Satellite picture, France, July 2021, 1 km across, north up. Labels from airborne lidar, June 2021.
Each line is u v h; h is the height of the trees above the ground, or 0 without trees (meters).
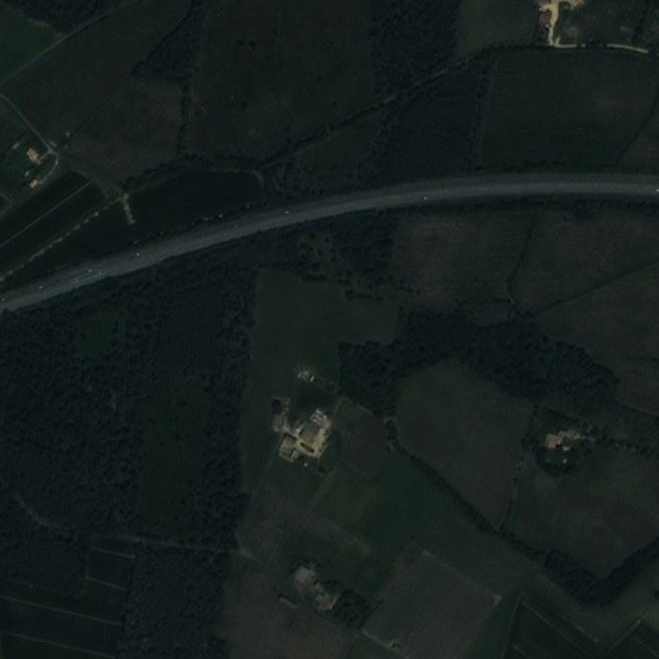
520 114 0
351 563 0
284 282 0
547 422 0
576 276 0
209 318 11
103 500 11
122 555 0
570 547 0
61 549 14
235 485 18
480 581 0
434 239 0
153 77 12
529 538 0
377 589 0
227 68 0
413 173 10
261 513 0
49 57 0
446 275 0
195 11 16
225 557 12
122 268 0
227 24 0
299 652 0
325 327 0
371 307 0
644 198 0
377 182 11
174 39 11
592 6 0
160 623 22
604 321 0
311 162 0
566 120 0
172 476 0
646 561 16
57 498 13
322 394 0
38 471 19
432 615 0
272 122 0
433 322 9
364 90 0
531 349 18
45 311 13
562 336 0
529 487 0
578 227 0
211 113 0
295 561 0
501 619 0
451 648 0
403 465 0
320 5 0
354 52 0
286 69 0
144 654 19
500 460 0
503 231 0
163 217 0
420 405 0
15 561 13
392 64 13
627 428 0
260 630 0
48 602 0
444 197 0
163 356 10
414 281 0
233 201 0
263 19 0
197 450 0
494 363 9
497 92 0
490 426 0
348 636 0
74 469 15
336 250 9
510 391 13
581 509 0
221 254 10
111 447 14
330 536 0
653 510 0
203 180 0
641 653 0
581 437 0
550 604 0
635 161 0
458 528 0
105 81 0
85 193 0
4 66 0
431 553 0
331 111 0
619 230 0
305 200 7
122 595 0
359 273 15
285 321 0
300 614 0
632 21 0
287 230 8
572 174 0
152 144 0
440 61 13
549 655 0
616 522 0
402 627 0
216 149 0
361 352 15
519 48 14
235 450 11
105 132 0
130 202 0
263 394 0
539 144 0
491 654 0
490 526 9
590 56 0
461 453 0
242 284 17
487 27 0
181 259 8
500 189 0
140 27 0
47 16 17
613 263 0
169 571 20
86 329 0
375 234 10
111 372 18
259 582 0
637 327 0
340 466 0
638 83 0
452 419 0
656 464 0
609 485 0
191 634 23
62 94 0
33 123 0
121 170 0
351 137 0
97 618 0
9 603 0
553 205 9
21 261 0
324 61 0
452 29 17
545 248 0
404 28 15
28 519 12
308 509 0
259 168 12
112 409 24
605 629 0
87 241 0
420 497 0
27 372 15
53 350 18
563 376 15
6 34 0
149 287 17
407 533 0
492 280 0
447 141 9
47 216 0
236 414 16
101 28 0
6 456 16
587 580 15
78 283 0
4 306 0
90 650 0
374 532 0
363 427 0
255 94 0
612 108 0
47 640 0
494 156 0
